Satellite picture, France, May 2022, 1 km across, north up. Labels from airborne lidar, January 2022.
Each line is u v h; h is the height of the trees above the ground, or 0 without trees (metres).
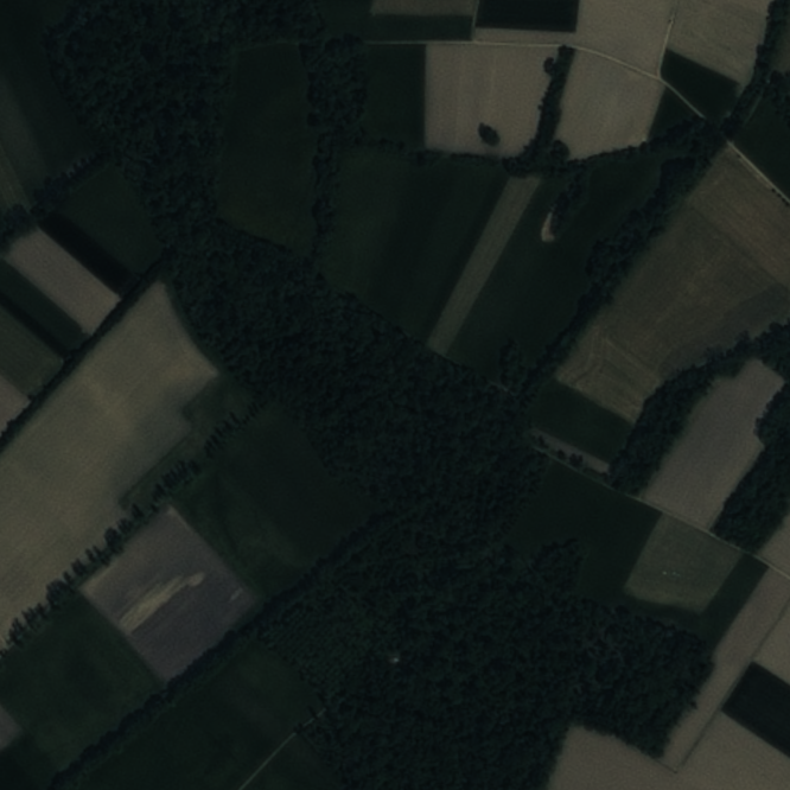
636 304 0
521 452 23
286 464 0
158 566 0
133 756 0
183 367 0
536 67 0
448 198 0
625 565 0
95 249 0
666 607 0
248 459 0
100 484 0
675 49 0
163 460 0
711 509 0
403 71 0
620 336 0
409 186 0
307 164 0
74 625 0
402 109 0
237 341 17
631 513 0
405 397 27
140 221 0
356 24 0
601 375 0
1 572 0
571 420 0
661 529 0
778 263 0
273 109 0
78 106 21
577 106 0
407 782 27
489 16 0
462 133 0
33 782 0
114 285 0
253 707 0
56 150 0
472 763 25
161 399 0
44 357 0
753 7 0
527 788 25
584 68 0
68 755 0
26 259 0
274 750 0
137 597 0
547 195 0
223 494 0
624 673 23
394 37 0
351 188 0
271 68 0
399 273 0
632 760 0
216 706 0
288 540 0
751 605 0
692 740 0
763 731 0
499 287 0
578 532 0
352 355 23
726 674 0
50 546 0
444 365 22
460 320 0
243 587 0
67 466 0
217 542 0
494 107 0
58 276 0
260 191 0
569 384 0
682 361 0
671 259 0
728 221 0
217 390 0
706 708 0
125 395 0
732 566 0
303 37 25
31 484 0
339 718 24
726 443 0
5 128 0
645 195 0
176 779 0
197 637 0
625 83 0
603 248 17
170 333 0
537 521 0
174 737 0
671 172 24
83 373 0
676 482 0
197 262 20
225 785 0
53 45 27
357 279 0
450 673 33
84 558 0
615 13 0
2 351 0
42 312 0
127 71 7
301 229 0
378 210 0
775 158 0
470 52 0
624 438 0
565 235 0
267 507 0
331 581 0
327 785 0
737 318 0
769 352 24
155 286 0
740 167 0
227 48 26
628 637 21
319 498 0
